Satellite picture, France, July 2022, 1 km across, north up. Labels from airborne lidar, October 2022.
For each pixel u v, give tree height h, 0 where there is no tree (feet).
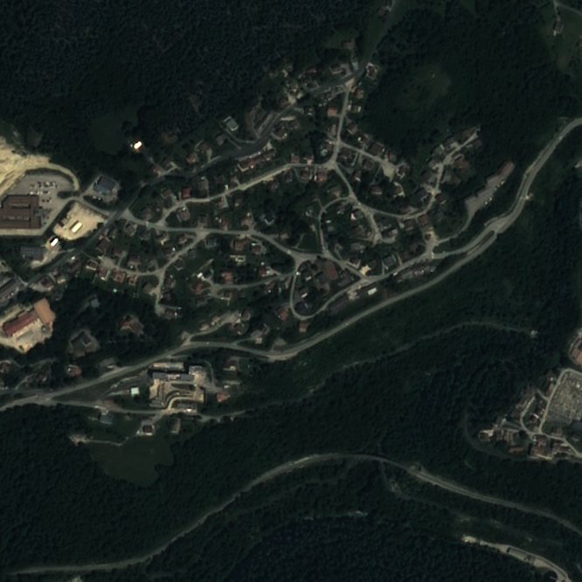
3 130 0
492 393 70
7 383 41
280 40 59
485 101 22
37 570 0
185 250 0
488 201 0
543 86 78
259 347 18
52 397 0
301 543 109
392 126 21
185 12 63
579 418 0
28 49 59
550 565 0
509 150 22
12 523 95
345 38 0
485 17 49
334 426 87
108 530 17
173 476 56
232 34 53
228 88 74
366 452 33
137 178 27
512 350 95
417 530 55
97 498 69
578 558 93
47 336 0
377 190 0
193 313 46
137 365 0
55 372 60
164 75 37
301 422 82
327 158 20
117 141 0
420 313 23
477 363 80
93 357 50
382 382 86
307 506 89
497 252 50
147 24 40
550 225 67
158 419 0
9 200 0
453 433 60
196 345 0
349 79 0
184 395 0
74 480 76
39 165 0
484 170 18
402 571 83
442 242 0
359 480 64
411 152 52
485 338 81
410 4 0
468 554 104
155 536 34
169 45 56
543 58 33
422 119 17
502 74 21
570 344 0
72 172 0
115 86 52
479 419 72
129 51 65
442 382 72
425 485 22
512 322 25
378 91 22
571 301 80
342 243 50
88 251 21
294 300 0
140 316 52
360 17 73
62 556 63
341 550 44
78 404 0
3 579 29
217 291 0
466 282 22
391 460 49
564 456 25
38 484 77
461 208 56
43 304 0
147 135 93
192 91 69
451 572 89
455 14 70
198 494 49
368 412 65
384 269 0
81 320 47
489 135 55
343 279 0
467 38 60
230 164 21
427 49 40
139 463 0
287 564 95
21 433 63
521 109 55
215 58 45
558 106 49
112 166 79
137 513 22
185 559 59
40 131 58
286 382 19
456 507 39
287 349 0
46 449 78
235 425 40
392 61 69
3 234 0
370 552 52
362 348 20
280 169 0
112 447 0
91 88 24
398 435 79
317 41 37
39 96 29
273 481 26
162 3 61
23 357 59
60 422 33
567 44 0
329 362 28
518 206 0
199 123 49
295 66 41
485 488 80
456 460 78
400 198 41
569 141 24
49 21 55
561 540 54
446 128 0
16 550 86
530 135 35
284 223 47
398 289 19
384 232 25
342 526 80
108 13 66
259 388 22
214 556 71
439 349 71
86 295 30
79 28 65
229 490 70
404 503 58
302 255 0
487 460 52
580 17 0
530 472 44
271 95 42
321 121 68
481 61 21
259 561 99
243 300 24
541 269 18
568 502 70
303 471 40
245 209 20
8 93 85
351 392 93
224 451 39
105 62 32
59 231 0
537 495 92
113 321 70
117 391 0
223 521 66
